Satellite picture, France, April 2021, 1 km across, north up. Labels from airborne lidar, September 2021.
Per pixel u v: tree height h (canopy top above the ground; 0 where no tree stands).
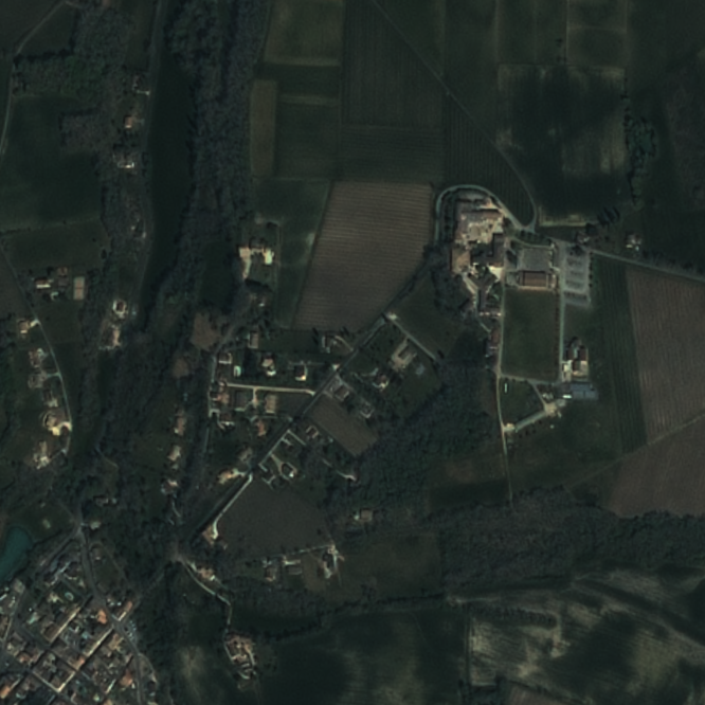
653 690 0
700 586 0
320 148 0
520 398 0
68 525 0
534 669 0
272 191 0
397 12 0
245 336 8
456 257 0
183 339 12
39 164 0
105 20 18
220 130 16
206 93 24
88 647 0
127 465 16
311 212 0
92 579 0
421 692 0
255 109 0
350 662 0
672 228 0
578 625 0
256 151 0
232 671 7
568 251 0
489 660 0
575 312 0
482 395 8
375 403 20
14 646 0
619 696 0
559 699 7
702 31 0
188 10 19
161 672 14
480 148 0
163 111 0
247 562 9
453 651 0
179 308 9
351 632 0
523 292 0
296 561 0
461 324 26
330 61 0
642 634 0
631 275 0
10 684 0
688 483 0
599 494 0
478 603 0
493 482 0
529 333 0
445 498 0
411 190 0
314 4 0
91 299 12
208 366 8
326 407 0
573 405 0
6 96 0
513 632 0
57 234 0
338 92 0
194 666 0
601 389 0
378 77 0
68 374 0
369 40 0
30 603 0
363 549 12
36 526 0
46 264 0
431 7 0
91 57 25
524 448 0
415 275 0
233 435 19
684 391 0
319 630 11
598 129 0
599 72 0
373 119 0
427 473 16
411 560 0
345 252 0
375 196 0
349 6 0
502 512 15
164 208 0
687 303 0
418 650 0
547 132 0
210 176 9
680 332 0
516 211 0
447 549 13
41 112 0
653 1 0
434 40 0
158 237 0
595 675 0
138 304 0
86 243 0
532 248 0
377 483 14
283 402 0
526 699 0
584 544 22
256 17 20
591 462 0
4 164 0
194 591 0
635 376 0
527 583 14
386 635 0
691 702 0
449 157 0
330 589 0
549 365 0
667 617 0
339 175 0
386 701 0
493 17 0
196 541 8
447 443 14
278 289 0
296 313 0
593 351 0
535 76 0
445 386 15
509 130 0
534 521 16
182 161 0
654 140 8
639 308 0
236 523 0
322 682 0
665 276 0
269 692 0
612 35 0
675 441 0
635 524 9
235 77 21
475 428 15
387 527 17
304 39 0
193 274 14
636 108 0
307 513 0
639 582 0
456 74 0
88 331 13
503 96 0
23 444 0
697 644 0
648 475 0
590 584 0
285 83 0
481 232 0
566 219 0
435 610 9
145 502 13
